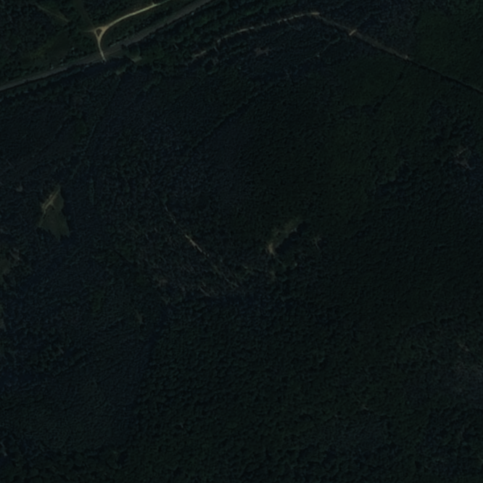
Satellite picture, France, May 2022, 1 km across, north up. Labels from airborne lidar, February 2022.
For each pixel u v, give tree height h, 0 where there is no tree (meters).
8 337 23
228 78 18
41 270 22
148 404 32
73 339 15
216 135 22
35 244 35
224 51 14
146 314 13
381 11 30
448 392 18
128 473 29
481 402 19
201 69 19
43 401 16
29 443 36
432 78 22
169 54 27
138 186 31
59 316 32
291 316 28
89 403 23
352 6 14
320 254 17
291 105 26
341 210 28
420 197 29
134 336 18
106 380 21
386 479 29
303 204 25
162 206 26
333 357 30
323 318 16
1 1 16
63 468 35
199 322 29
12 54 23
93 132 31
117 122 35
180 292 34
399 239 26
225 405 32
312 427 19
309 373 28
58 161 22
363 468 32
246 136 21
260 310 27
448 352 27
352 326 23
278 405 31
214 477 25
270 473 31
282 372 25
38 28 21
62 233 0
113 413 23
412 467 22
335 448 23
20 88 8
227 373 32
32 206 19
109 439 20
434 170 26
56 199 0
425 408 27
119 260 13
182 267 29
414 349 31
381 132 30
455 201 24
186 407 30
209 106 22
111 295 11
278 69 15
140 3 0
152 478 27
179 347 29
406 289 22
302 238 22
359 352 22
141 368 21
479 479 24
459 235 27
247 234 22
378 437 23
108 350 23
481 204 26
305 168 25
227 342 30
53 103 13
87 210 29
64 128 18
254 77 13
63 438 14
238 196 24
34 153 15
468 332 29
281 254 23
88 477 33
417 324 23
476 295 21
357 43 18
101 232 29
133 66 25
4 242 30
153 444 29
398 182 10
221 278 29
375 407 30
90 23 0
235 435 29
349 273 22
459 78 11
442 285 19
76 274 25
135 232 32
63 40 0
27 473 30
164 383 33
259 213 24
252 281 32
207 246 11
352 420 19
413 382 29
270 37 14
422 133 25
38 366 29
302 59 15
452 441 24
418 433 28
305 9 19
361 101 19
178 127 21
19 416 16
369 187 29
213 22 26
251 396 27
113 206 33
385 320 24
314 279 24
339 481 34
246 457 27
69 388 18
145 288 13
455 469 7
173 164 28
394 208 27
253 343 29
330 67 16
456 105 27
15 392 31
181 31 25
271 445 32
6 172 16
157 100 18
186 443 23
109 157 26
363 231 30
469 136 24
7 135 16
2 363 25
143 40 7
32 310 29
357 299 21
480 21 28
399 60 16
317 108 25
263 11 18
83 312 14
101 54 0
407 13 24
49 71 0
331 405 30
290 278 25
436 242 24
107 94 33
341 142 29
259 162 25
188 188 29
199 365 31
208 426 27
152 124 26
